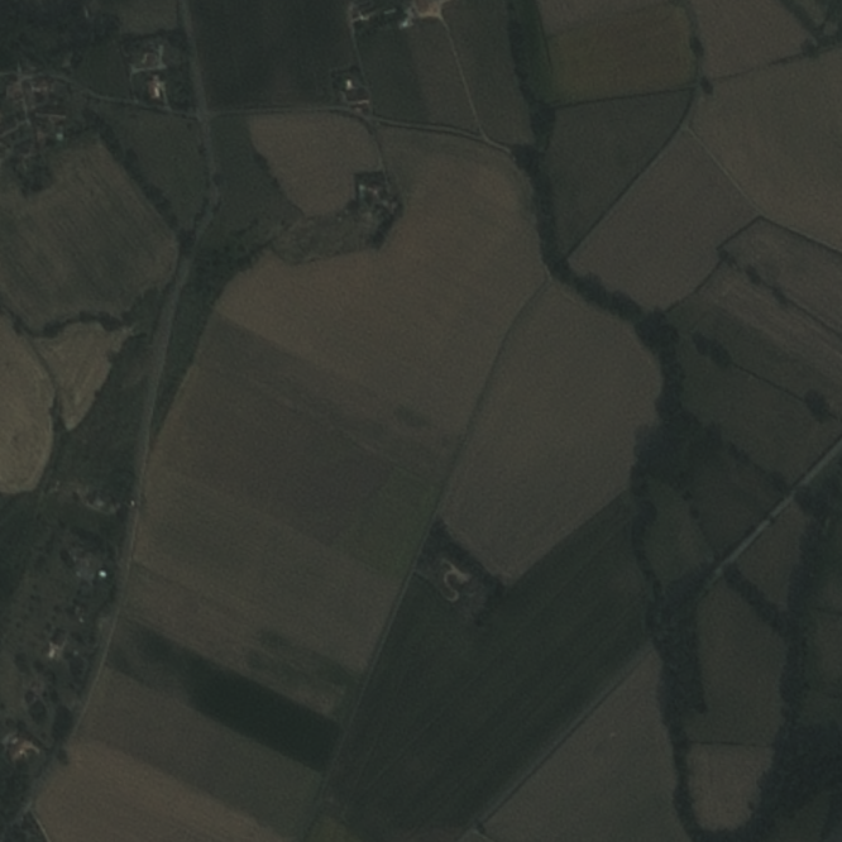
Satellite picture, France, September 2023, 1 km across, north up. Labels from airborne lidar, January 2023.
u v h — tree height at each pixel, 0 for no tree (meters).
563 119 0
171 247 0
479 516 0
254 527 0
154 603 0
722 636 0
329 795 0
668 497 0
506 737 0
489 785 0
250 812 0
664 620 20
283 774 0
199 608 0
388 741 0
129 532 0
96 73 0
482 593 0
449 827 0
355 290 0
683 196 0
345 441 0
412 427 0
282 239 0
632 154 0
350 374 0
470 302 0
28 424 0
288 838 0
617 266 0
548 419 0
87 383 0
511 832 0
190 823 0
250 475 0
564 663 0
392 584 0
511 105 0
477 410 0
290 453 0
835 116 0
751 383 0
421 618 0
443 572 0
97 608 0
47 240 0
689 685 32
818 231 0
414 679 0
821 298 0
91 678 0
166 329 0
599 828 0
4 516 9
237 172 0
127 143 0
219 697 0
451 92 0
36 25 33
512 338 0
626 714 0
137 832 0
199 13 0
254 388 0
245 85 0
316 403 0
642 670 0
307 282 0
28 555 6
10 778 17
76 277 0
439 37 0
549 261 17
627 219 0
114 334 0
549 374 0
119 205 0
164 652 0
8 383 0
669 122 0
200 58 0
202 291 11
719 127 0
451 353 0
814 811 0
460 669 0
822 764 22
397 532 0
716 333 0
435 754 0
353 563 0
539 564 0
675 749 17
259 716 0
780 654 0
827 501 18
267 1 0
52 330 9
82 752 0
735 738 0
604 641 0
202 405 0
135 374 0
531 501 0
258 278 0
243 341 0
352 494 0
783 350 0
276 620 0
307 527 0
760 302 0
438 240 0
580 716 0
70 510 0
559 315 0
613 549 0
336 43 0
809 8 0
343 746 0
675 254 0
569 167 0
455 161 0
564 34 0
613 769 0
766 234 0
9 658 0
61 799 0
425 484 0
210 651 0
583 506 0
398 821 0
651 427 0
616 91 0
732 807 0
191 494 0
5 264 0
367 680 0
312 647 0
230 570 0
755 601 23
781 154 0
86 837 0
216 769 0
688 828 13
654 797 0
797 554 0
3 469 0
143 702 0
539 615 0
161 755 0
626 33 0
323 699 0
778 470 0
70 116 0
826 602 0
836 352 0
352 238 0
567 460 0
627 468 0
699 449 0
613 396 0
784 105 0
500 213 0
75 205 0
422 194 0
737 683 0
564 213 0
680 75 0
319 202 0
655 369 0
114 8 0
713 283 0
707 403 0
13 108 0
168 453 0
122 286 0
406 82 0
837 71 0
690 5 0
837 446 0
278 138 0
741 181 0
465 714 0
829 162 0
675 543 0
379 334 0
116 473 7
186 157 0
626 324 0
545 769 0
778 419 0
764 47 0
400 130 0
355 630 0
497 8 0
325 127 0
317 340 0
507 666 0
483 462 0
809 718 0
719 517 0
